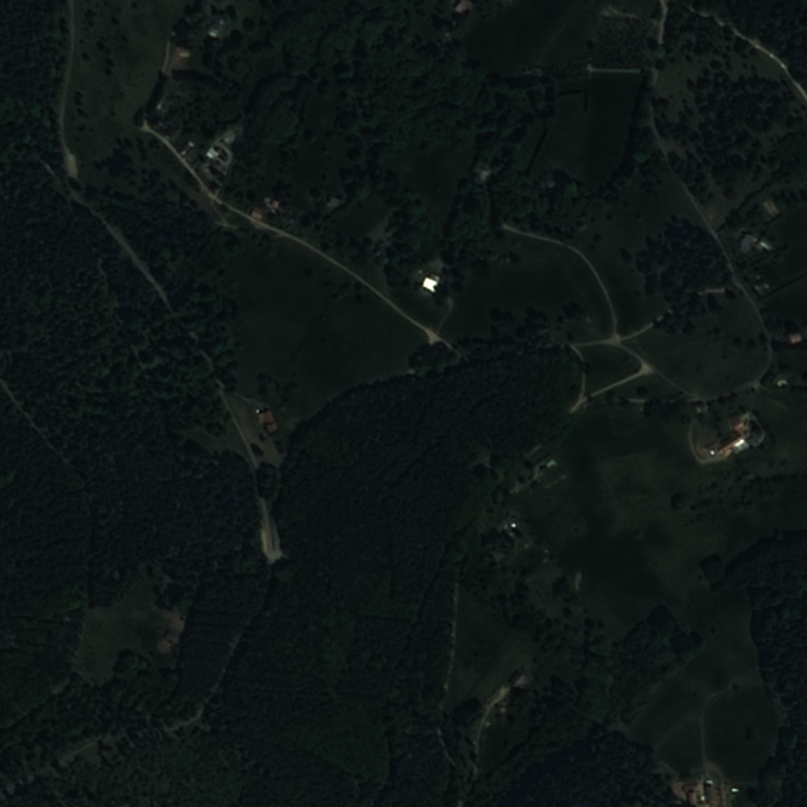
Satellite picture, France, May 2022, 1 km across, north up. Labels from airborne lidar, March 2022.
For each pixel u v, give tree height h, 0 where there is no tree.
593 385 0
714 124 11
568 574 0
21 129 25
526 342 15
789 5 28
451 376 17
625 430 0
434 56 24
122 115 0
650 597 0
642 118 17
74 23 0
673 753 0
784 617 23
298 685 22
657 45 20
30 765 16
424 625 23
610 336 0
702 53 16
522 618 10
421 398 19
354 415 20
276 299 0
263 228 0
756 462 0
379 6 21
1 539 22
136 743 31
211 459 23
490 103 15
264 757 18
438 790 14
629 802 24
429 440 20
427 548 26
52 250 30
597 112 0
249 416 0
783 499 0
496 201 21
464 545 15
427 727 26
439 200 0
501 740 0
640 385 0
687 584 0
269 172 0
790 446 0
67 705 11
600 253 0
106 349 26
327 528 20
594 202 19
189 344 31
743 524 0
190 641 20
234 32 0
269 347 0
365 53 23
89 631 0
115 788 10
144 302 9
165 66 0
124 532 25
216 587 26
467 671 7
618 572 0
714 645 0
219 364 27
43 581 21
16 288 17
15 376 19
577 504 0
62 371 23
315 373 0
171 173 0
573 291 0
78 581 24
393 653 22
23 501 27
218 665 17
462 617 0
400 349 0
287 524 18
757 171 12
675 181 0
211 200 0
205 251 19
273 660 19
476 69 21
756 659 0
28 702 16
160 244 24
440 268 0
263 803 12
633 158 19
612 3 0
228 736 14
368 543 17
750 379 0
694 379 0
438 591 24
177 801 10
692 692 0
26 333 26
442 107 24
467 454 27
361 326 0
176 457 22
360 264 12
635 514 0
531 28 0
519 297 0
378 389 16
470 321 0
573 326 0
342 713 15
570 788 30
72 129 0
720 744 0
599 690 31
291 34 24
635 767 24
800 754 29
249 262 0
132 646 0
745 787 0
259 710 16
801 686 28
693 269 27
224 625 21
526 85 22
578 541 0
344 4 19
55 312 25
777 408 0
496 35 0
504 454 24
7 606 19
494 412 26
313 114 0
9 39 25
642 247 0
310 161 0
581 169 0
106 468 25
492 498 19
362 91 21
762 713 0
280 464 0
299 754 15
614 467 0
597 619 0
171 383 28
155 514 26
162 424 8
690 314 20
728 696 0
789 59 26
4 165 23
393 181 25
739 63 0
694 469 0
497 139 15
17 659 16
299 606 15
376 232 0
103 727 26
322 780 19
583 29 0
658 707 0
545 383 24
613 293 0
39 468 24
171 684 15
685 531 0
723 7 10
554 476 0
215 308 21
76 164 0
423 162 0
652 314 0
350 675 25
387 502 26
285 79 14
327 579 18
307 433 19
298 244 0
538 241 0
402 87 23
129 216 18
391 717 23
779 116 16
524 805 27
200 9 16
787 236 0
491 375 22
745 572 22
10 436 23
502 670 0
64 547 26
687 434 0
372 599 17
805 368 0
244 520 29
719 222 0
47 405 20
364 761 13
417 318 0
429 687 21
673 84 0
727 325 0
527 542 0
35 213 27
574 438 0
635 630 8
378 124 23
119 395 27
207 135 23
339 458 19
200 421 6
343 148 0
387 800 17
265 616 18
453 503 25
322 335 0
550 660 0
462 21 16
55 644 19
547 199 10
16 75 25
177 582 31
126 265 8
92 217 22
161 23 0
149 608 0
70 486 23
